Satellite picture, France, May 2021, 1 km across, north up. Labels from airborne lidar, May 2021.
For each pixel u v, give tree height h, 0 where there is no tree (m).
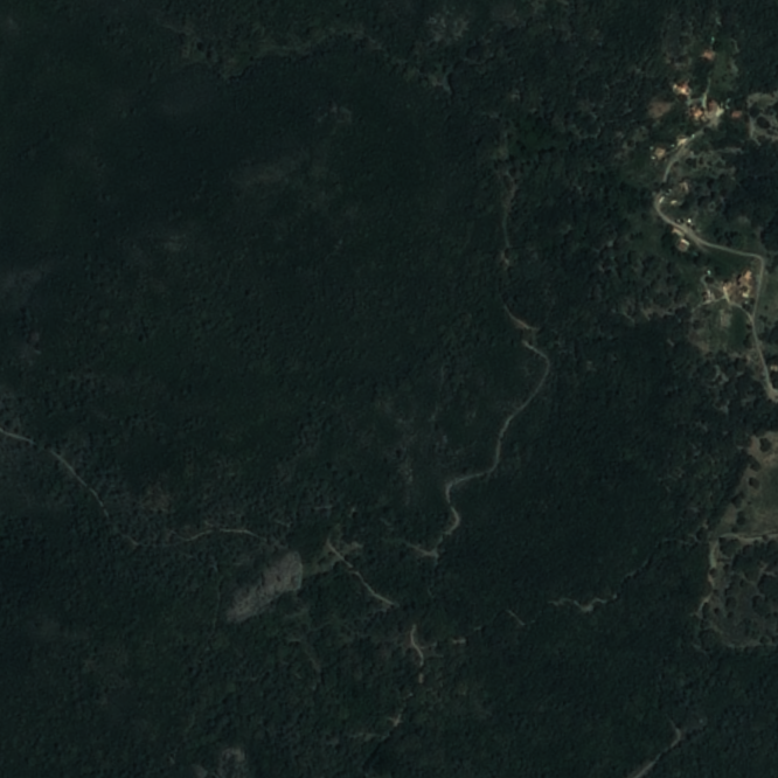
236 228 8
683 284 10
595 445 13
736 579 11
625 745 9
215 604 9
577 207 18
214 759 8
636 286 12
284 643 13
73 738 9
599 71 14
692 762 11
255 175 0
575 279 11
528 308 12
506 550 11
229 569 10
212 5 7
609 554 10
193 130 8
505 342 6
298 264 6
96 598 7
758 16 9
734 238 19
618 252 22
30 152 12
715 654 12
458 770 12
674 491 8
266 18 10
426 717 12
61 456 13
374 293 8
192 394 12
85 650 6
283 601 14
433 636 9
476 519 6
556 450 10
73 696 12
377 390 11
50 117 6
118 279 7
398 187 6
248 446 6
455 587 7
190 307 10
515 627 15
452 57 6
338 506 16
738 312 0
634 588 15
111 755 13
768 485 0
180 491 5
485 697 6
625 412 10
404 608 6
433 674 8
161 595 7
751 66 9
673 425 9
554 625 8
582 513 12
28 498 12
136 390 7
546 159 16
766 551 9
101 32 5
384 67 10
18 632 8
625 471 10
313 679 11
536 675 7
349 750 12
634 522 11
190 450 8
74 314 8
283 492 8
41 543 14
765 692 10
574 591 13
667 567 16
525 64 13
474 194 10
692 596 13
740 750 9
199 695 7
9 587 9
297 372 6
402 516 10
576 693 13
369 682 13
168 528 6
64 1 6
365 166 6
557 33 13
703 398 15
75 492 12
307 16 7
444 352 5
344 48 6
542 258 8
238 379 6
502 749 7
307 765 10
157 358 5
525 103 18
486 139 20
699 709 9
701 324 9
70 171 7
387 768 20
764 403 15
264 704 9
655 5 8
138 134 5
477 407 7
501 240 6
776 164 11
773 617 8
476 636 12
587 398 9
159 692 8
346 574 7
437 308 11
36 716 9
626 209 11
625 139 8
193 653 9
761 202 17
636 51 11
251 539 10
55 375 11
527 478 7
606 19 7
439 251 6
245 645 10
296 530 12
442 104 6
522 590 16
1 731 6
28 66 5
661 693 10
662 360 17
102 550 11
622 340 15
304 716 17
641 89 11
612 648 12
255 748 14
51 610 6
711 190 16
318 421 14
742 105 6
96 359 10
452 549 10
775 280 0
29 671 7
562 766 11
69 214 6
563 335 7
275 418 6
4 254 8
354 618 6
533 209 7
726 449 11
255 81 6
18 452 15
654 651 11
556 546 10
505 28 8
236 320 8
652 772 6
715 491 9
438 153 6
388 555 12
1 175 6
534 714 11
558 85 14
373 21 5
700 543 9
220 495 11
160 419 6
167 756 6
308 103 6
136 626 6
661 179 0
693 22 5
